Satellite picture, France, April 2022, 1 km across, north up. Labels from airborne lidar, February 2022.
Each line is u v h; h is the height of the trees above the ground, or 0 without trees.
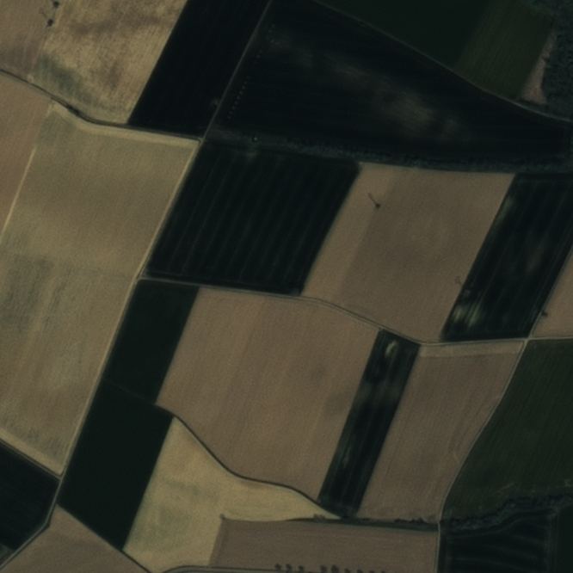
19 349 0
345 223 0
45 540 0
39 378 0
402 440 0
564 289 0
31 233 0
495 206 0
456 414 0
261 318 0
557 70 26
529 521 0
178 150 0
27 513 0
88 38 0
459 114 0
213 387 0
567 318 0
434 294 0
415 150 0
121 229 0
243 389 0
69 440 0
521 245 0
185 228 0
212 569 0
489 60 0
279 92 0
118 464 0
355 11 0
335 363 0
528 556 0
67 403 0
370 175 0
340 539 0
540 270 0
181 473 0
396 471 0
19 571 0
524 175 0
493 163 15
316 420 0
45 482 0
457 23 0
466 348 0
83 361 0
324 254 0
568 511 0
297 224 0
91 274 0
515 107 0
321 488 0
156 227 0
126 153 0
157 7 0
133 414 0
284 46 0
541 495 0
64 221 0
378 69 0
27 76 0
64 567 0
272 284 0
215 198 0
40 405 0
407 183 0
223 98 0
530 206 0
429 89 0
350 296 0
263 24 0
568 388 0
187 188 0
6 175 0
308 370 0
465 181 0
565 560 0
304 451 0
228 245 0
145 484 0
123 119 0
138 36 0
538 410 0
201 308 0
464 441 0
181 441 0
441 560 0
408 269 0
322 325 0
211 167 0
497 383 0
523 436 0
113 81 0
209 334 0
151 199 0
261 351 0
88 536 0
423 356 0
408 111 0
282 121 0
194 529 0
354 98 0
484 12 0
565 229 0
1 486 0
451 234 0
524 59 0
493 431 0
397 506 0
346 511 0
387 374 0
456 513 0
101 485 0
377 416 0
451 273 0
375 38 0
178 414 0
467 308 0
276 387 0
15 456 0
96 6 0
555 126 0
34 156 0
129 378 0
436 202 0
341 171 0
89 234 0
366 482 0
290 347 0
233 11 0
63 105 0
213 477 0
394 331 0
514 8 0
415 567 0
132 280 0
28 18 0
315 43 0
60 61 0
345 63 0
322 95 0
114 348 0
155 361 0
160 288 0
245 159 0
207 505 0
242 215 0
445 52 0
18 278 0
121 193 0
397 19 0
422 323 0
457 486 0
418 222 0
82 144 0
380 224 0
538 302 0
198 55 0
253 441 0
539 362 0
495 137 0
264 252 0
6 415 0
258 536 0
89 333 0
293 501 0
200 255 0
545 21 0
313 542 0
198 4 0
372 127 0
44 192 0
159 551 0
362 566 0
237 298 0
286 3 0
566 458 0
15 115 0
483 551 0
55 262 0
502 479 0
